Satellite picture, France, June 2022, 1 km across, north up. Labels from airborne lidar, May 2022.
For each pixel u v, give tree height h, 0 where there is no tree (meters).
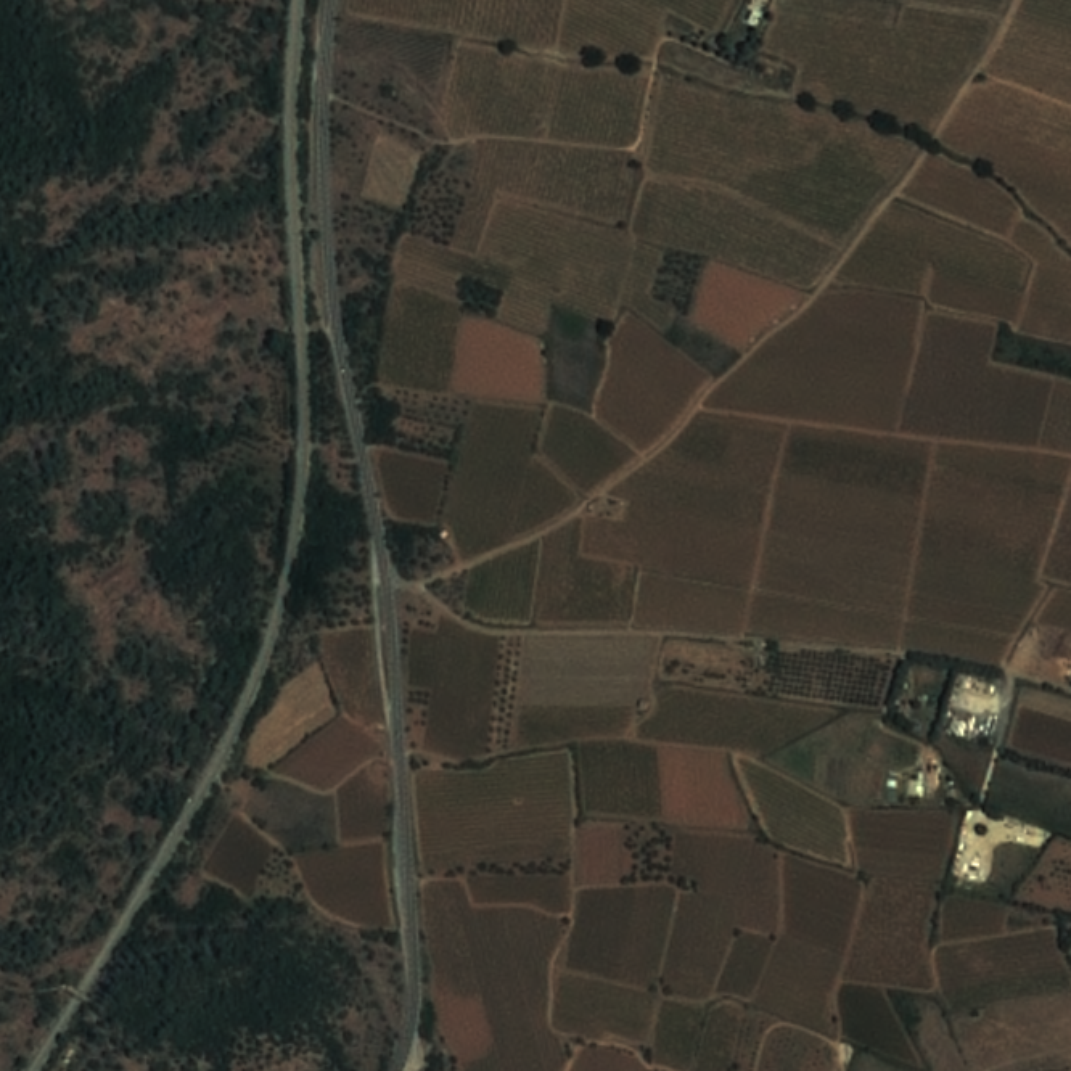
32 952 19
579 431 0
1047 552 0
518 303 0
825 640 0
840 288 0
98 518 11
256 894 0
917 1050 0
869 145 0
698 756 0
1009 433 0
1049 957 0
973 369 0
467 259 0
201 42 15
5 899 0
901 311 0
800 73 0
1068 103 0
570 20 0
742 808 0
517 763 0
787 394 0
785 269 0
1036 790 0
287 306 9
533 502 0
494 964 0
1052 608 0
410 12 0
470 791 0
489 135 0
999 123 0
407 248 0
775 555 0
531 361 0
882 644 0
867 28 0
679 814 0
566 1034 0
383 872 0
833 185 0
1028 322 0
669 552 0
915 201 0
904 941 0
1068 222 0
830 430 0
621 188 0
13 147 8
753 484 0
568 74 0
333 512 6
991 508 0
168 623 0
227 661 7
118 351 0
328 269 0
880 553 0
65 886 14
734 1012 0
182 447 9
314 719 0
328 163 0
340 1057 7
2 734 9
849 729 0
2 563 7
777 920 0
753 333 0
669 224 0
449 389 0
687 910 0
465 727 0
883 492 0
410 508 0
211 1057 5
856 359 0
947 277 0
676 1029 0
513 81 0
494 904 0
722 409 0
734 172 0
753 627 0
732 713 0
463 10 0
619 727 0
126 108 10
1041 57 0
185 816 0
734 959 0
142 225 15
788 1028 0
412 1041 0
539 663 0
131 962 15
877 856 0
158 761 13
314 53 9
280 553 8
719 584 0
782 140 0
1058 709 0
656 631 0
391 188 0
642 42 0
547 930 0
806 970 0
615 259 0
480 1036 0
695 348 0
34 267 7
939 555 0
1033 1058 0
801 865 0
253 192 15
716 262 0
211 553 19
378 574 0
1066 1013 0
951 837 0
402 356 0
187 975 21
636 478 0
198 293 0
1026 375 0
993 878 0
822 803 0
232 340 7
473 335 0
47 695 6
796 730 0
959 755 0
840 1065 0
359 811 0
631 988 0
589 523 0
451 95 0
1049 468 0
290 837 0
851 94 0
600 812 0
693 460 0
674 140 0
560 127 0
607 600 0
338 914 0
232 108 7
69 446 8
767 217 0
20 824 6
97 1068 6
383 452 0
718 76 0
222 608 8
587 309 0
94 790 6
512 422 0
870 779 0
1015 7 0
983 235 0
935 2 0
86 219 9
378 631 0
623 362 0
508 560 0
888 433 0
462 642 0
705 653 0
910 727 11
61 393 18
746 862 0
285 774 0
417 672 0
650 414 0
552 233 0
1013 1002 0
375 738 0
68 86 6
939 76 0
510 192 0
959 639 0
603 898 0
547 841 0
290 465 11
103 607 0
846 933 0
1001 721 0
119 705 21
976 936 0
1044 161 0
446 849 0
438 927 0
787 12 0
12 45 9
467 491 0
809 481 0
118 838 27
